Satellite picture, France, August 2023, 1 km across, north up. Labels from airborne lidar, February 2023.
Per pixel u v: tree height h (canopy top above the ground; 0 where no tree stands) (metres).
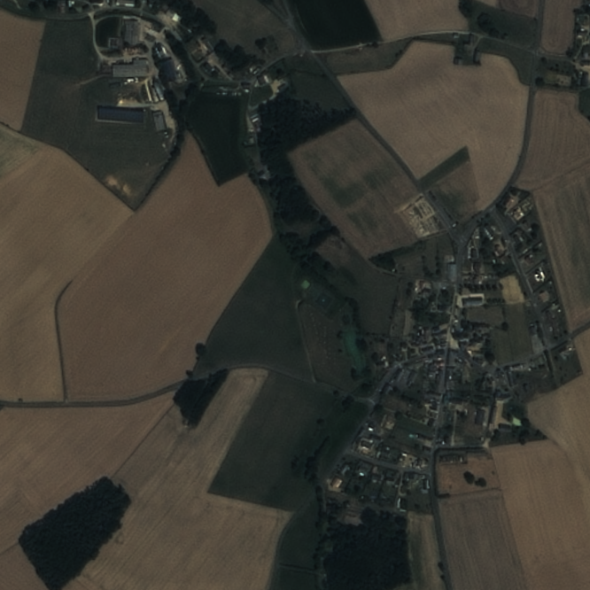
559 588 0
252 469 0
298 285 0
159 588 0
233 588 0
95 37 0
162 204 0
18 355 0
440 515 0
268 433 0
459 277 0
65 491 0
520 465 0
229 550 0
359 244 0
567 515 0
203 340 0
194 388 11
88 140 0
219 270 0
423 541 0
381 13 0
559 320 0
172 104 14
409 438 0
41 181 0
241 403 0
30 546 17
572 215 0
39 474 0
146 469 0
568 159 0
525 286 0
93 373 0
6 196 0
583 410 0
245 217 0
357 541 14
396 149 0
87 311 0
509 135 0
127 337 0
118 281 0
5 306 0
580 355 0
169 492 0
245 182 0
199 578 0
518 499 0
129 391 0
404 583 8
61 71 0
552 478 0
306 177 0
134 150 0
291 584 0
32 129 0
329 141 0
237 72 8
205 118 0
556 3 0
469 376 0
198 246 0
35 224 0
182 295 0
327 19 0
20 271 0
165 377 0
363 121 0
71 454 0
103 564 0
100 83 0
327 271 15
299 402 0
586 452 0
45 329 0
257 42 8
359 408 0
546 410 0
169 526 0
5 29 0
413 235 0
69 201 0
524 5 0
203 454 0
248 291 0
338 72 0
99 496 19
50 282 0
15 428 0
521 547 0
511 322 0
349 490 6
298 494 0
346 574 14
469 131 0
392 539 12
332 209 0
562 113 0
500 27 0
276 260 0
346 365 0
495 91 0
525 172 0
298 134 19
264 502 0
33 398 0
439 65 0
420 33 0
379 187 0
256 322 0
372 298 0
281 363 0
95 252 0
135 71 0
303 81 0
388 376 0
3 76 0
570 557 0
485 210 0
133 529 0
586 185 0
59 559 12
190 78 13
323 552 7
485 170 0
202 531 0
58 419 0
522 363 0
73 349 0
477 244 0
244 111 0
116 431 0
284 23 0
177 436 0
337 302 0
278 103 12
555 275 0
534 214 0
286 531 0
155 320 0
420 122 0
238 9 0
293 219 18
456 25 0
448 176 0
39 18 0
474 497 0
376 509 0
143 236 0
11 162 0
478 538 0
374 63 0
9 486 0
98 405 0
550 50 0
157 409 0
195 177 0
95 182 0
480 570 0
